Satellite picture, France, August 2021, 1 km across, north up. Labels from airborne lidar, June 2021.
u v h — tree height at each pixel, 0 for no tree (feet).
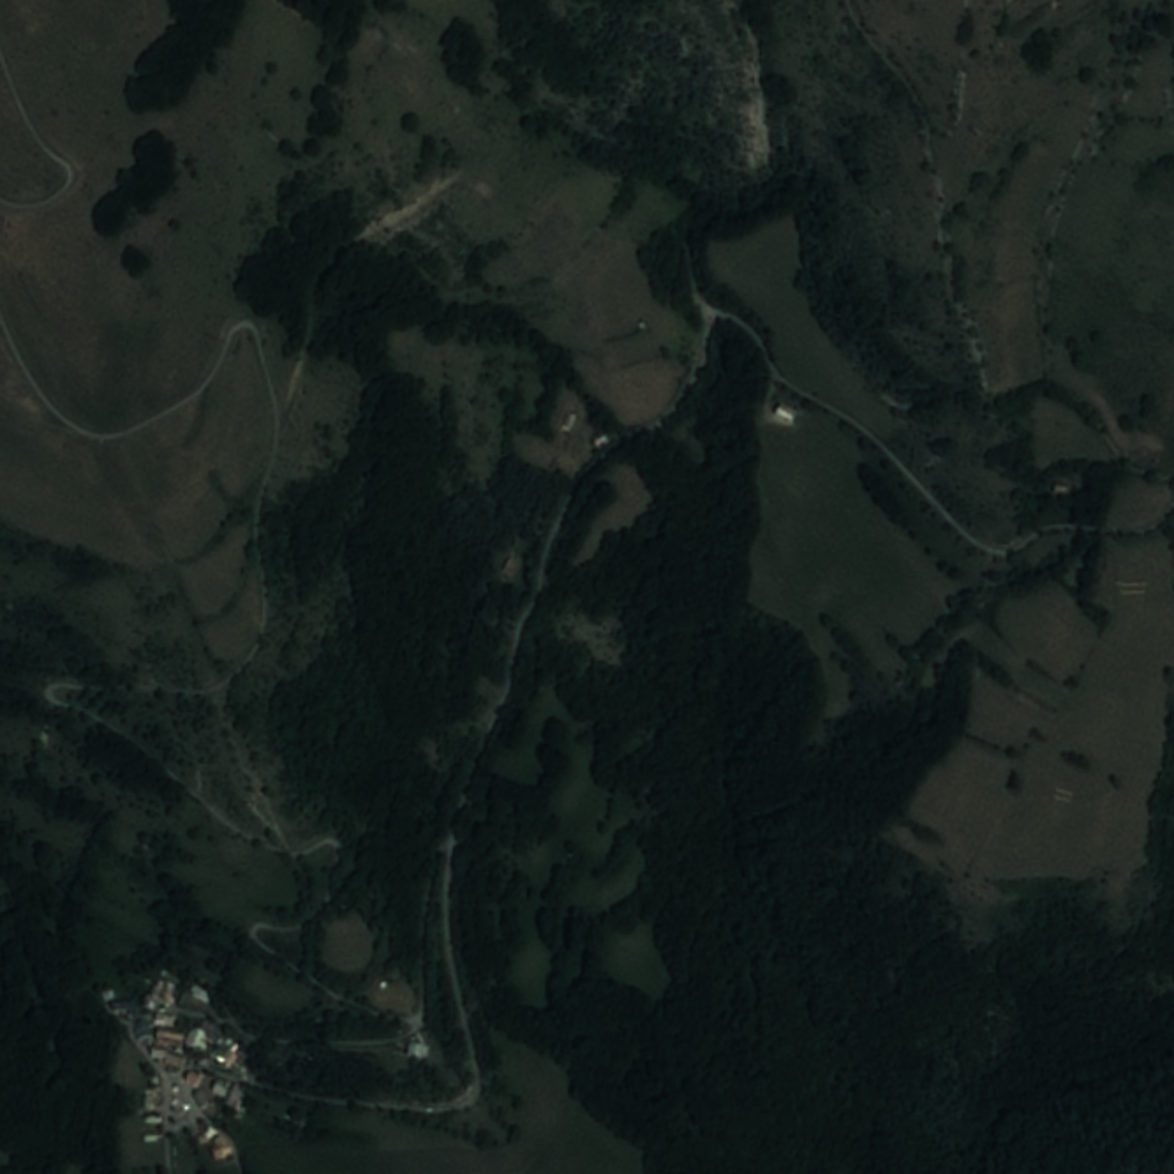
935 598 0
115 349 0
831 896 80
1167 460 0
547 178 0
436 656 45
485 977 51
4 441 0
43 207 0
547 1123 0
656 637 56
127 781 48
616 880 0
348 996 22
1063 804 0
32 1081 57
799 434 0
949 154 0
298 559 42
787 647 42
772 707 90
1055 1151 61
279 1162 0
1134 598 0
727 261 0
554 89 35
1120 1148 42
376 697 31
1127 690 0
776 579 0
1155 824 21
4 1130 75
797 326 0
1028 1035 48
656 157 41
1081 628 0
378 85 0
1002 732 0
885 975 64
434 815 30
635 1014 90
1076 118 0
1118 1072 58
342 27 31
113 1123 38
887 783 88
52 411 0
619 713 63
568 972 55
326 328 30
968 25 26
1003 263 0
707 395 44
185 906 42
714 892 55
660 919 26
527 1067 0
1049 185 0
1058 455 0
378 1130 0
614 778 60
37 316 0
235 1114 27
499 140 0
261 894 0
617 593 54
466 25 34
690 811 81
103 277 0
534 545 24
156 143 42
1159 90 0
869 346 20
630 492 0
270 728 25
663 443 56
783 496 0
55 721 38
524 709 27
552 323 0
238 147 0
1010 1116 91
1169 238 0
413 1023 0
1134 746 0
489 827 44
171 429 0
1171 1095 49
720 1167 70
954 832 0
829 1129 91
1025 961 42
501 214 0
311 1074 60
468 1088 26
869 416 0
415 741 43
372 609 77
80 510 0
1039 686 0
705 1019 75
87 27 0
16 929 47
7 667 28
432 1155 0
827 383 0
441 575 75
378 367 52
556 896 57
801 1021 94
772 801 97
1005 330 0
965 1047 37
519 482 57
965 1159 79
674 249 51
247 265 32
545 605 53
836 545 0
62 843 0
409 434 66
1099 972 62
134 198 37
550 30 74
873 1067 80
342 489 56
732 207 33
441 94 0
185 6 63
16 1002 84
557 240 0
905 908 43
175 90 50
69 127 0
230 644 0
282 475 0
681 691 51
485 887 41
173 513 0
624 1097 96
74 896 53
